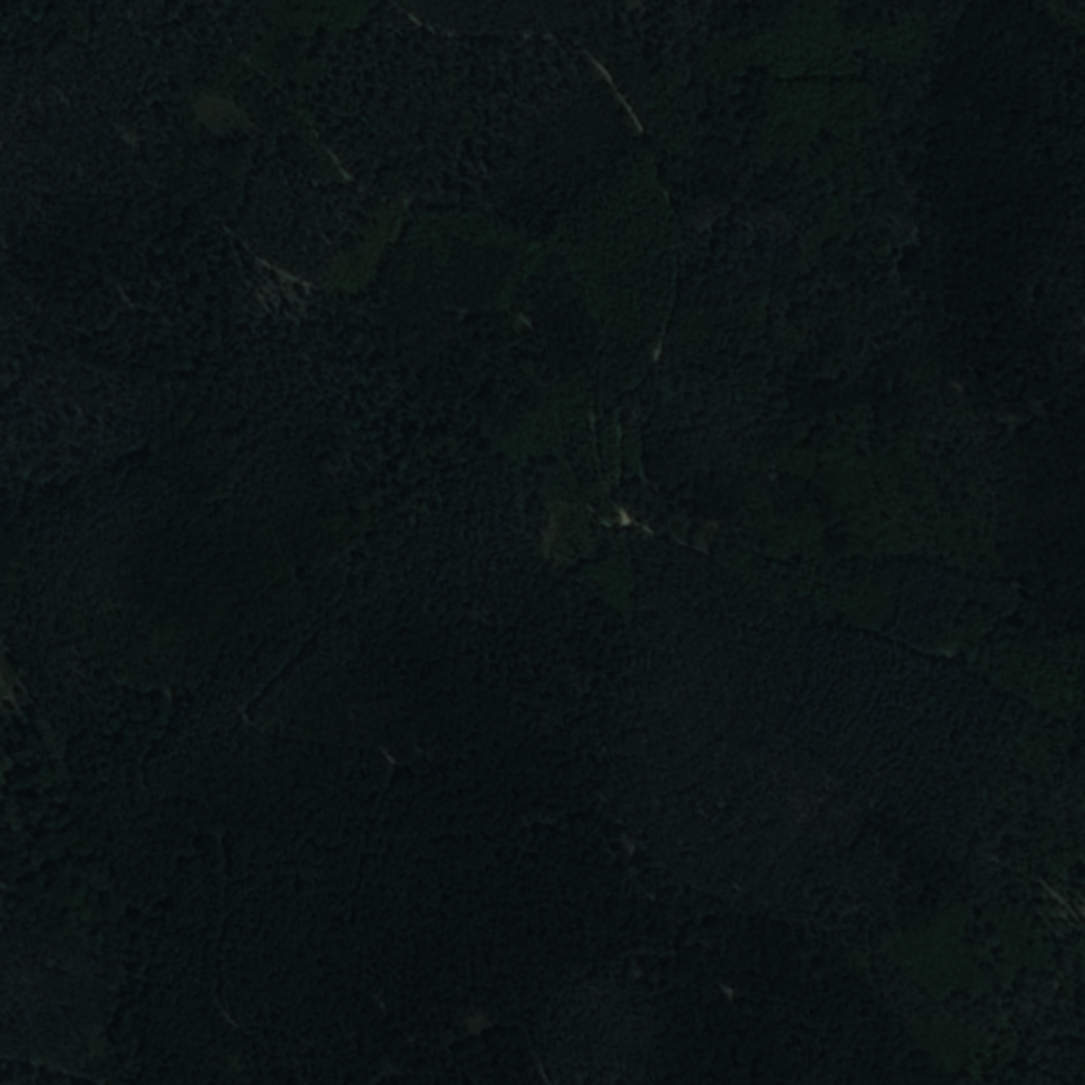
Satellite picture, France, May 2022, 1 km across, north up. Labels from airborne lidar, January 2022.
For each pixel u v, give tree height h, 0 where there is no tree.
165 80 14
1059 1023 24
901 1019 18
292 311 25
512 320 19
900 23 17
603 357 12
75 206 22
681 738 16
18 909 22
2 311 21
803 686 20
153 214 24
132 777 18
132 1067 23
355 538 26
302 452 19
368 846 17
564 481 12
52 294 17
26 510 24
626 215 12
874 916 22
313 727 18
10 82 21
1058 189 23
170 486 22
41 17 23
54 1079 21
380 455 11
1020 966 13
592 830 15
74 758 25
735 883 16
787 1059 21
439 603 19
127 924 17
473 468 21
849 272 14
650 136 9
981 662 20
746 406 10
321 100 22
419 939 18
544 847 17
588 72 23
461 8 14
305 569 29
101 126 17
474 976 11
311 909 22
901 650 26
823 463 17
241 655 20
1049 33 21
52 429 28
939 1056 19
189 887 24
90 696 21
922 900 25
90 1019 24
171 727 11
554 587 21
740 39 14
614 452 11
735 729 16
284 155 19
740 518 12
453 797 23
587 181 7
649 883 14
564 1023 12
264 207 21
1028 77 22
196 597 23
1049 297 21
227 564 24
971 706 24
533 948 16
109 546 18
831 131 13
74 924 23
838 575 22
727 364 14
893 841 21
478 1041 14
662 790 15
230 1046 19
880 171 19
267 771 21
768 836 14
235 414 17
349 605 20
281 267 22
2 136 19
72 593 11
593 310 15
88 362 19
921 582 23
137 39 20
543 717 19
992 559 16
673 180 12
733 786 16
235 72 16
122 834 21
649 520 12
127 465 20
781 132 16
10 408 17
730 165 12
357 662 18
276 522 25
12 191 20
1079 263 21
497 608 21
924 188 17
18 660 24
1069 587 21
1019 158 25
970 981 12
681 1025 19
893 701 23
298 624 22
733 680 16
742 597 17
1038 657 17
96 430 22
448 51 18
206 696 18
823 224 14
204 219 21
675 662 13
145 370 21
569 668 20
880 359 15
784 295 9
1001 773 20
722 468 13
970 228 22
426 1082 16
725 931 18
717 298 16
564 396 12
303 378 21
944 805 28
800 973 19
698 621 14
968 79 23
